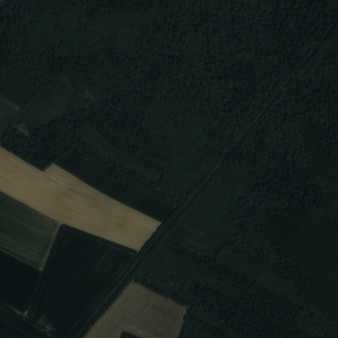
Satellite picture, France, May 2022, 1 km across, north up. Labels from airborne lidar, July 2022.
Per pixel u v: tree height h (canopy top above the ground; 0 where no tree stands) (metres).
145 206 0
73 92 0
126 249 0
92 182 0
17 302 0
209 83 27
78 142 12
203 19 23
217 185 11
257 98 28
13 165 0
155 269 20
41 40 0
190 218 17
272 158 26
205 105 23
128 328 0
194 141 23
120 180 15
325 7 23
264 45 26
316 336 21
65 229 0
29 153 8
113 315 0
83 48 0
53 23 0
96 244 0
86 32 0
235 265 17
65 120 28
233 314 28
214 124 23
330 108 22
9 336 0
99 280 0
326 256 15
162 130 24
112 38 23
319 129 16
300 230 16
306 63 19
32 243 0
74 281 0
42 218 0
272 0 24
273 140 28
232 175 13
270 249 24
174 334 0
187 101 22
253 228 20
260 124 22
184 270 21
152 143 22
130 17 20
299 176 25
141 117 14
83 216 0
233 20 28
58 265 0
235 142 21
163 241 17
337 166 15
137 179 20
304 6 24
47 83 26
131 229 0
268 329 29
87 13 24
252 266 17
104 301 13
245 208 18
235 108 27
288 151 28
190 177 24
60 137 20
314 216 15
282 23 20
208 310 28
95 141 0
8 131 19
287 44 19
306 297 17
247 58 9
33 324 0
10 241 0
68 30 0
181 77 18
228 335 25
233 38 30
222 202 14
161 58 28
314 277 15
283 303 25
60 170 0
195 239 0
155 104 21
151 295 0
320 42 12
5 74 13
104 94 25
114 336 0
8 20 23
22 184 0
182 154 23
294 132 25
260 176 7
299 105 30
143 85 32
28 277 0
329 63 8
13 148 16
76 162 0
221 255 21
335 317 18
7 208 0
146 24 17
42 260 0
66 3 16
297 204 18
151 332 0
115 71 25
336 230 14
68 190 0
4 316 0
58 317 0
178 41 30
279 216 22
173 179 23
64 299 0
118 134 19
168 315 0
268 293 24
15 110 0
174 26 19
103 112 27
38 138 27
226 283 24
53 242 0
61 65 0
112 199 0
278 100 24
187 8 30
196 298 24
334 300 18
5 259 0
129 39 22
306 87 23
